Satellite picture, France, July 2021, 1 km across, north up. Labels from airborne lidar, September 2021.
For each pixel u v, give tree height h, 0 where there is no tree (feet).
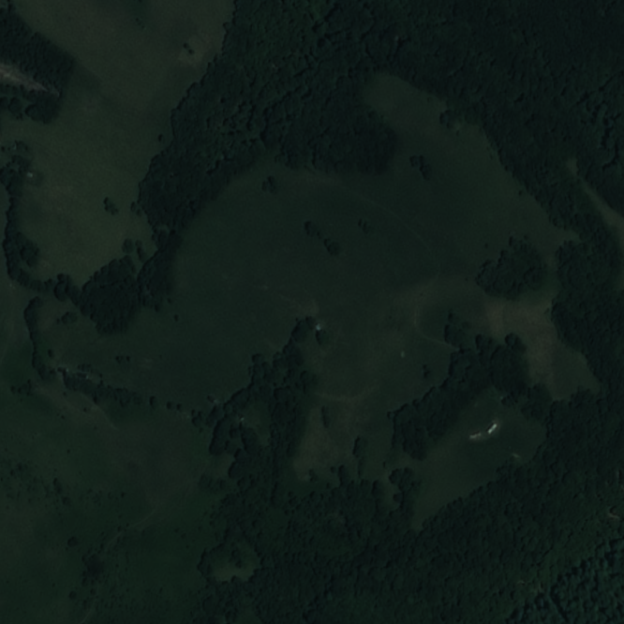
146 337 0
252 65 73
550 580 67
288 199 0
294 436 63
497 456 0
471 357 70
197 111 89
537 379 0
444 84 99
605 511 96
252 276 0
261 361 73
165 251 66
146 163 0
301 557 87
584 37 89
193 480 0
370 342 0
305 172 0
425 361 0
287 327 0
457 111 21
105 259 0
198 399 0
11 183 72
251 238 0
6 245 36
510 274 64
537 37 70
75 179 0
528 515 55
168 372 0
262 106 74
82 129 0
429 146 0
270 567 64
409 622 93
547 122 92
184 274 0
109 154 0
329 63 86
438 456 0
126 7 0
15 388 45
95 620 0
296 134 72
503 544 91
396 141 56
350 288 0
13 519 0
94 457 0
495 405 0
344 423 0
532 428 0
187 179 96
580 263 81
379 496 83
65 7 0
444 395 93
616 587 98
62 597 0
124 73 0
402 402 0
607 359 107
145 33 0
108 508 0
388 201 0
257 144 85
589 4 75
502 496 79
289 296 0
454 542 81
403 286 0
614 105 139
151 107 0
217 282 0
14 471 31
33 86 0
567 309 75
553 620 93
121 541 31
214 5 0
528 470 23
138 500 0
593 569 82
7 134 0
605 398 33
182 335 0
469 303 0
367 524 30
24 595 0
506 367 92
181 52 0
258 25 76
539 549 84
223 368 0
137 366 0
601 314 43
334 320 0
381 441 0
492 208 0
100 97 0
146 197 76
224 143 103
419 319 0
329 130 56
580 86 124
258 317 0
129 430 0
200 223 0
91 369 42
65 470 0
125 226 0
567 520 92
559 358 0
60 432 0
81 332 0
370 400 0
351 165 64
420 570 98
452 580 105
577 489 62
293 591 68
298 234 0
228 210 0
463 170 0
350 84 84
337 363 0
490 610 68
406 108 0
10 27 48
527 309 0
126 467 0
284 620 79
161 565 0
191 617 33
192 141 85
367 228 43
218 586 72
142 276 52
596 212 34
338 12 89
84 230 0
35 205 0
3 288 0
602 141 105
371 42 73
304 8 73
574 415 68
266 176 0
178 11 0
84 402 0
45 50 45
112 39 0
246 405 69
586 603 89
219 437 73
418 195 0
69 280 72
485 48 83
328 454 0
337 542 26
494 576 81
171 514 0
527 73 72
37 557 0
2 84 27
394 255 0
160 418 0
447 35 107
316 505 70
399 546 30
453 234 0
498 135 77
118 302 101
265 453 93
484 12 67
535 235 0
